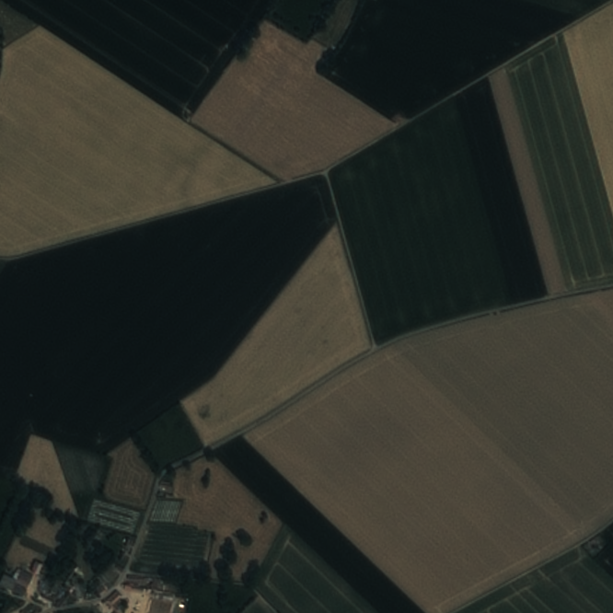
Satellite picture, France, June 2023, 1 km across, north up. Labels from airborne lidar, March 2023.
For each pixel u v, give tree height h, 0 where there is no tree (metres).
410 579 0
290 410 0
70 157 0
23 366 0
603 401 0
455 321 0
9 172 0
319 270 0
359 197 0
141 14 0
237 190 0
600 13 0
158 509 0
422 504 0
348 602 0
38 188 0
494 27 0
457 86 0
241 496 0
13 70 0
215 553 0
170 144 0
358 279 0
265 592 0
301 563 0
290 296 0
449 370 0
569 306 0
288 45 0
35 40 0
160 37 0
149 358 0
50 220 0
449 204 0
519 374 0
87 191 0
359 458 0
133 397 0
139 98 0
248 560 0
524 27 0
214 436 0
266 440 0
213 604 0
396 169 0
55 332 0
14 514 0
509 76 0
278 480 0
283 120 0
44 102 0
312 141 0
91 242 0
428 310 0
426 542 0
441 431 0
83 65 0
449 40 0
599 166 0
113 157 0
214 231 0
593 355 0
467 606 0
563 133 0
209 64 0
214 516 0
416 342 0
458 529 0
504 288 0
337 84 0
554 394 0
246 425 0
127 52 0
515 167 0
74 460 0
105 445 0
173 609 0
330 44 0
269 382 0
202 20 0
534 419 0
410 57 0
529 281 0
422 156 0
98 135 0
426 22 0
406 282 0
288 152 0
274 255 0
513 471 0
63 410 0
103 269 0
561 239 0
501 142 0
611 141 0
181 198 0
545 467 0
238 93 0
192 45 0
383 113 0
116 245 0
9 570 0
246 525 0
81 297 0
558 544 0
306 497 0
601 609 0
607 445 0
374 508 0
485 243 0
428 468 0
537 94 0
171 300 0
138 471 0
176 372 0
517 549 0
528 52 0
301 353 0
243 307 0
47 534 0
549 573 0
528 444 0
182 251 0
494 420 0
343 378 0
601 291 0
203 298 0
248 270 0
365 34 0
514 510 0
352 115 0
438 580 0
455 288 0
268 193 0
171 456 0
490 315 0
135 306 0
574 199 0
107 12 0
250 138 0
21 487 25
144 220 0
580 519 0
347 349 0
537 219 0
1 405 0
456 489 0
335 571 0
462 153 0
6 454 0
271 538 0
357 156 0
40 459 0
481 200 0
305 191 0
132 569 0
